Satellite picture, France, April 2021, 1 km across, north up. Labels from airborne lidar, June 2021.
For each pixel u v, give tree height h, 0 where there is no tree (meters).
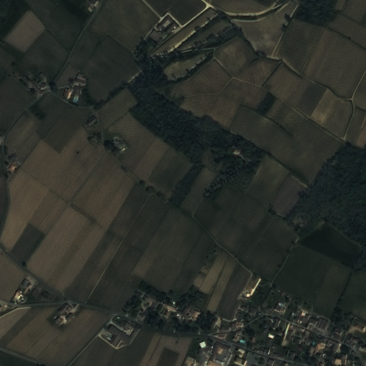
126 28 0
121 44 0
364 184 23
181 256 0
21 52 0
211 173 0
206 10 0
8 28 0
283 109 0
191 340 0
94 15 0
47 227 0
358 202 20
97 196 0
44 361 0
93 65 0
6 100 0
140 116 7
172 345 0
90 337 0
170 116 18
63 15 0
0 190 0
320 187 20
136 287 0
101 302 0
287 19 11
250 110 0
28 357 0
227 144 16
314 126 0
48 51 0
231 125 0
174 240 0
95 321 0
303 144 0
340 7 0
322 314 0
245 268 0
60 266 0
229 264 0
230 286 0
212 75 0
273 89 0
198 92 0
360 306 0
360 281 0
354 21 0
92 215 0
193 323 14
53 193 0
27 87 10
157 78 24
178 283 0
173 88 0
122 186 0
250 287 0
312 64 0
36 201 0
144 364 0
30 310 0
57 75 0
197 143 20
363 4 0
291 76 0
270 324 9
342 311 6
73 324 0
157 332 0
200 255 0
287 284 0
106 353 0
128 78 0
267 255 0
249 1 0
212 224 0
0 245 0
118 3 0
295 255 0
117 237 0
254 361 0
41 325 0
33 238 0
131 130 0
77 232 0
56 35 0
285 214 0
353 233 6
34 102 0
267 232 0
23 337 0
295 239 0
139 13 0
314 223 18
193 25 0
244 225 0
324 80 0
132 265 0
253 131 0
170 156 0
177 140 20
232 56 0
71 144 0
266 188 0
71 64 0
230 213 0
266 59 14
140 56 9
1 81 0
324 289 0
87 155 0
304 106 0
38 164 0
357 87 0
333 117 0
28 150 0
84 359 0
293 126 0
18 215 0
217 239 0
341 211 15
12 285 0
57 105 0
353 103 0
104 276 0
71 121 0
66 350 0
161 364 0
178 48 0
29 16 0
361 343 17
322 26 17
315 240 0
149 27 0
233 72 0
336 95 0
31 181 0
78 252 0
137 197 0
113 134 0
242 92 0
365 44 0
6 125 0
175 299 0
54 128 0
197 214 0
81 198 0
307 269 0
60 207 0
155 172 0
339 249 0
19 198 0
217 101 0
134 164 0
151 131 13
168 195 0
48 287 0
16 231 0
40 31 0
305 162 0
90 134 0
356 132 0
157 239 0
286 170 0
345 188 24
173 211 0
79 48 0
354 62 0
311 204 19
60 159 0
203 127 20
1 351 0
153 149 0
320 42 0
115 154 7
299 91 0
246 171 19
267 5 0
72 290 0
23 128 0
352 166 21
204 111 0
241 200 0
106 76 0
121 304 0
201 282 0
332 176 17
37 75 0
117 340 0
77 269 0
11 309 0
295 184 0
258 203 0
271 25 0
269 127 0
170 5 0
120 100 0
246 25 0
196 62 0
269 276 0
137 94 11
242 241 0
